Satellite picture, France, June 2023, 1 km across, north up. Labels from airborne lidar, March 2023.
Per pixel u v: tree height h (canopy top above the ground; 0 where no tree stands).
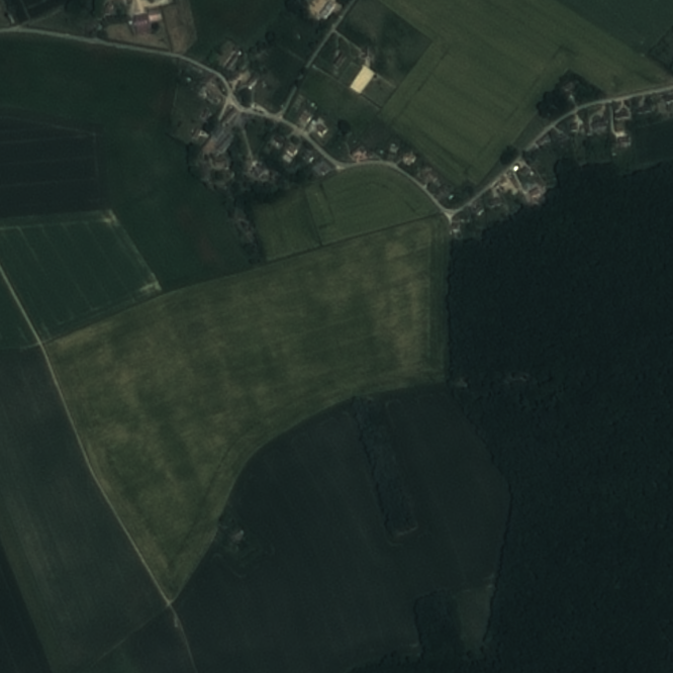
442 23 0
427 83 0
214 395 0
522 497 20
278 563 0
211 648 0
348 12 0
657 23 0
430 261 0
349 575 0
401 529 19
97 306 0
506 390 22
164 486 0
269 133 9
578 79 10
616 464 23
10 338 0
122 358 0
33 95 0
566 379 19
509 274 24
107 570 0
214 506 0
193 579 0
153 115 0
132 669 0
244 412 0
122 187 0
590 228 24
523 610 22
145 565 0
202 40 0
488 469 0
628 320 25
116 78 0
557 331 23
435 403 0
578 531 25
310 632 0
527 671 21
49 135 0
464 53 0
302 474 0
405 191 0
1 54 0
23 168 0
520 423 24
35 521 0
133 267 0
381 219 0
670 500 24
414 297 0
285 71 0
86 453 0
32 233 0
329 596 0
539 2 0
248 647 0
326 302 0
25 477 0
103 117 0
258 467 0
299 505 0
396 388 0
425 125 0
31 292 0
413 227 0
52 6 0
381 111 0
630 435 24
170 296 0
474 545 0
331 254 0
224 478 0
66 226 0
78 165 0
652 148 0
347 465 0
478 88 0
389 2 0
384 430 17
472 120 0
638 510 24
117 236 0
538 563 23
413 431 0
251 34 0
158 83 0
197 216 0
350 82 0
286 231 0
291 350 0
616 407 23
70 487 0
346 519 0
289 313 0
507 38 0
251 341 0
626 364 24
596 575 23
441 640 23
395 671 15
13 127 0
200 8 0
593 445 23
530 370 23
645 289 21
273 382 0
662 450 24
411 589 0
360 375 0
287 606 0
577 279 23
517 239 26
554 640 25
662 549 21
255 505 0
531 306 26
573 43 0
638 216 24
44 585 0
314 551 0
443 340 0
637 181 21
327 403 0
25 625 0
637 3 0
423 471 0
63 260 0
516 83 0
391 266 0
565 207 26
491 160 0
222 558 0
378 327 0
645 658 21
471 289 23
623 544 20
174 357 0
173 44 0
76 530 0
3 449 0
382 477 18
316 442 0
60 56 0
